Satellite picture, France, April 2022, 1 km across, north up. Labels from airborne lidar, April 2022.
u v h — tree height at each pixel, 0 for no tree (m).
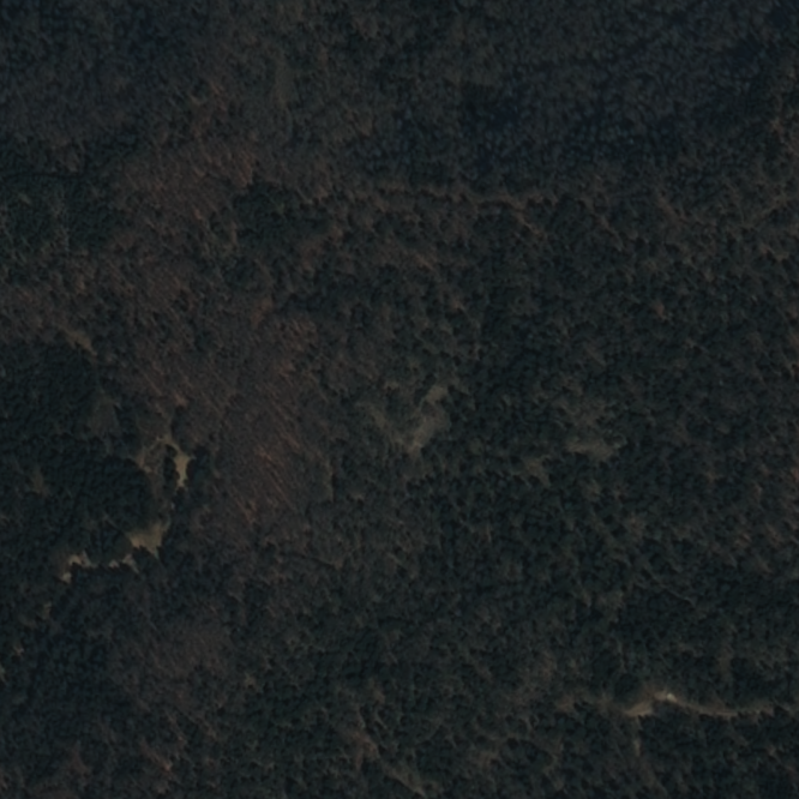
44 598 18
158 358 26
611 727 22
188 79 16
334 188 28
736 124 16
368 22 29
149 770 15
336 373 30
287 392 29
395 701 35
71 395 23
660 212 22
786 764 18
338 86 24
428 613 19
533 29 33
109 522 8
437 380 25
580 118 31
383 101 27
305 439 33
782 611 28
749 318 24
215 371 27
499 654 22
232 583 25
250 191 13
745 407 29
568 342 21
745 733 24
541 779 29
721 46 25
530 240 34
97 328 28
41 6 34
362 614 34
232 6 23
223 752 25
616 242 25
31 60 25
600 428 19
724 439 33
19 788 22
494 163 21
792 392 29
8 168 20
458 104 26
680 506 28
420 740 27
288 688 25
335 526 25
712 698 17
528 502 29
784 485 28
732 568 19
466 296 33
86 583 22
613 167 21
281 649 26
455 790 13
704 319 20
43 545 24
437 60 34
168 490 12
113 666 25
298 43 22
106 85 26
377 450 19
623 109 22
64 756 19
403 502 30
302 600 30
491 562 27
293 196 30
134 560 0
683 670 30
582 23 30
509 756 24
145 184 22
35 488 27
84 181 19
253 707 27
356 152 27
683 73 26
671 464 25
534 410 37
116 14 23
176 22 19
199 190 26
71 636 27
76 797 16
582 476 21
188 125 7
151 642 17
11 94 24
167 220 23
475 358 30
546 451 25
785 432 32
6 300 25
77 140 18
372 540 22
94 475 28
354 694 29
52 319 28
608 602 27
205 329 26
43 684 18
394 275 32
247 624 22
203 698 22
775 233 30
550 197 22
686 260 25
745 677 14
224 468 22
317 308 30
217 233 28
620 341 26
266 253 24
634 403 33
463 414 27
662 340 24
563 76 34
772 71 14
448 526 26
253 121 18
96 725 25
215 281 25
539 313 24
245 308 25
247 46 21
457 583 31
